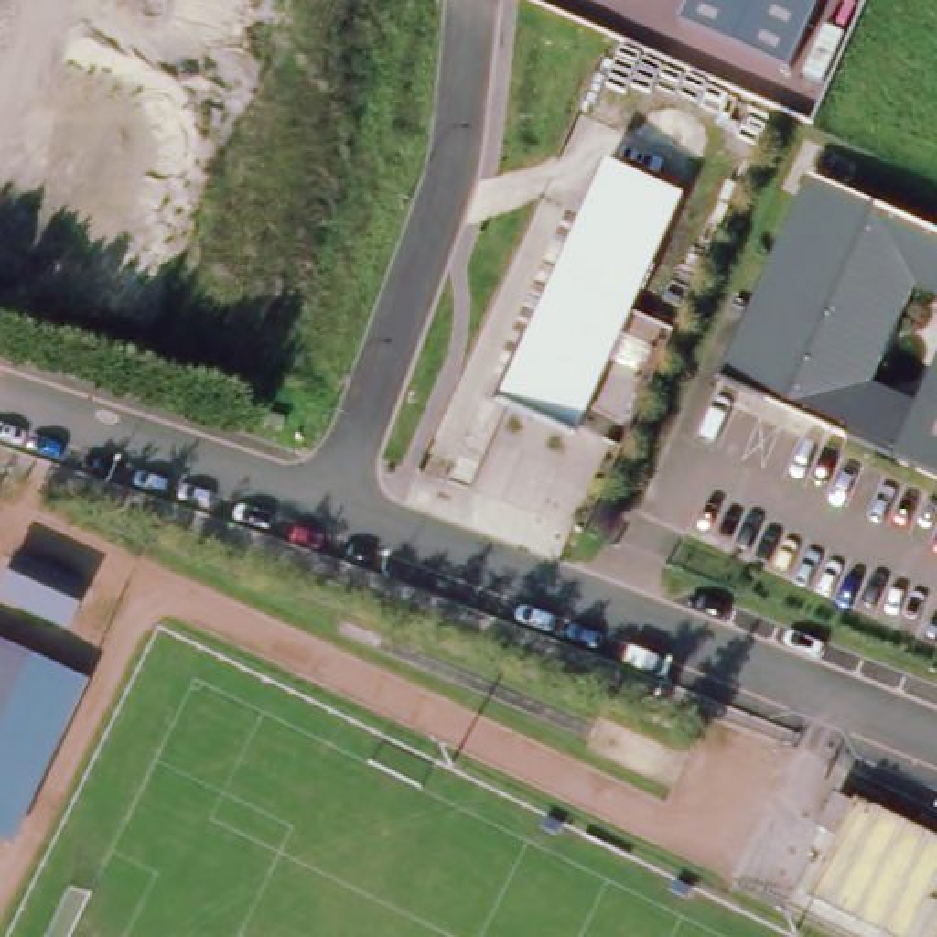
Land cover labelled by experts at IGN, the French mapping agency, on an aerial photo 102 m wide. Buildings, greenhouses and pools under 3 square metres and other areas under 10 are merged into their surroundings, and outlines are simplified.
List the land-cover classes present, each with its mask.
<instances>
[{"label":"impervious surface","instance_id":"1","mask_svg":"<svg viewBox=\"0 0 937 937\"><path fill-rule=\"evenodd\" d=\"M443 44L425 172L399 249L392 256L370 333L344 384L340 410L315 450L300 454L245 432L205 428L168 410L143 406L139 399H117L73 373H51L29 362L0 359V582L15 567L18 575H29L59 593L77 597L73 622L66 630L99 648V666L92 673V684L77 706V717L66 732V743L48 772V783L33 813L18 824L15 835H0V915L11 893L18 889L37 845L44 842L55 813L62 809L73 772L117 692V681L124 677V666L139 637L157 633L161 619H183L223 641H234L238 648L256 652L267 662L285 666L304 681L340 692L436 739L439 747H458L469 758L501 769L571 809L593 813L597 820L633 838L655 842L684 856L692 867L739 878L743 893L765 900L769 908L798 922L809 937H827L813 915H805L794 904V886L813 867L809 849L816 845V827L842 831L860 802H871L937 835V684H926L911 673L838 648L827 626L794 622L791 630L787 622L750 615L732 604L728 589H692L681 597H666L662 571L673 538H695L743 564L772 567V575H780L802 593L824 597L831 608H845L893 630L915 633L919 641L937 648V498L919 494L900 479H889L842 458L835 447L849 432L721 377L725 359L710 351L706 340L695 351V373L681 388L677 417L662 432L659 461L652 479L644 483L641 501L622 516V527L608 534L593 560L571 564L560 556L538 560L523 545L494 542L479 531L410 509V483L432 461L439 425L465 377L479 333L469 329L472 242L483 220L523 205L534 194L556 190H575L586 201L600 165H608L611 157L655 176L662 161H670L677 150H688L692 157L706 150L703 128L673 110H662L652 124L644 113L630 117L626 135L578 121L564 154L538 157L527 168L494 176L498 146L505 139V106L512 92V22L520 4L534 7L545 18H560L564 11H571L578 15L575 26L582 33H593L604 44H611L615 59L597 62V77L604 81L655 84L659 77H681V92L695 95L699 106L725 132L736 165L728 168V179L721 183L714 209L699 223L703 245L684 253L681 278H673L659 293V300L673 304L677 311L681 304H695L699 296L692 275L703 271V260L710 256L706 249L721 242V223L732 212L736 187H750V168L758 165V146L765 139L769 117L780 113L798 124L791 168L780 179L783 190L794 194L802 179L820 165V172L937 223V179L864 150L820 143L813 113L824 106L827 95V66L838 51V40L849 44L856 37L867 0H816L794 40L798 62H783L747 48L728 33L688 22L684 0H439ZM439 293L454 300L447 359L428 395V410L414 432L410 454L399 465H388L381 458V447L392 432L403 384L414 370ZM44 483L77 487L128 505H146L161 520H172L176 527L194 531L201 538H216L234 549L285 556L318 582L370 589L384 600L406 604L425 615H439L443 622L465 633H498L505 644L527 655L560 659L571 673H604L611 688L644 684L666 703L699 706L710 728L692 747H666L600 714L582 717L512 684L472 673L450 659L384 641L381 630H373L362 619L340 622L344 637L381 648V655L428 670L450 684L479 692L545 725L586 736L597 754L662 780L670 794L652 798L567 758L549 743H538L494 717H483L381 666H370L307 630H296L242 600H231L227 593L187 575H176L146 556H132L117 542H99L95 549H88L77 542L73 531L66 538L40 527L51 509L44 505Z\"/></svg>","mask_w":937,"mask_h":937},{"label":"herbaceous vegetation","instance_id":"2","mask_svg":"<svg viewBox=\"0 0 937 937\"><path fill-rule=\"evenodd\" d=\"M820 143L864 150L937 179V0H867L856 37L849 44L838 40V51L827 66V95L824 106L813 113ZM578 15L571 11H564L560 18H545L534 7L520 4L512 22V92L505 106V139L498 146L494 176L527 168L538 157L564 154L578 121L626 135L630 117L644 113L652 124L662 110H673L703 128L706 150L692 157L688 150H677L670 161H662L655 176L677 187L681 194L633 304L662 322L677 315V311L673 304L659 300V293L673 278H681L684 253L703 245L699 223L714 209L721 183L728 179V168L736 165L725 132L699 106L695 95L681 92V77H659L655 84L604 81L597 77V62L615 59L611 44H604L593 33H582L575 26ZM794 194L783 190L780 179L761 190L758 209L750 212L747 249L732 267L728 293L758 285L761 267L769 260L765 242L769 234H780ZM534 216L523 205L483 220L472 242L469 329L479 333L490 296L512 260V249ZM454 300L439 293L414 370L403 384L392 432L381 447V458L388 465H399L410 454L414 432L428 410V395L447 359ZM842 458L889 479H900L919 494L937 498V476L919 465L878 454L849 432L835 447ZM187 575L227 593L231 600H242L296 630H307L370 666H381L483 717H494L538 743H549L567 758L652 798L670 794L662 780L597 754L586 736L545 725L479 692L450 684L428 670L381 655V648L344 637L340 622L362 619L373 630H381L384 600L370 589L318 582L285 556L234 549L216 538H201L187 556ZM666 597H681L692 589H728L732 604L750 615L787 622L791 630L794 622L827 626L838 648L911 673L926 684H937V648L919 641L915 633L893 630L845 608H831L824 597L802 593L780 575H772V567L743 564L695 538H673L662 571ZM0 937H809L798 922L769 908L765 900L743 893L739 878L692 867L684 856L655 842L633 838L597 820L593 813L571 809L501 769L469 758L458 747H439L436 739L340 692L304 681L285 666L267 662L256 652L238 648L234 641H223L183 619H161L157 633L139 637L124 666V677L117 681V692L73 772L62 809L55 813L44 842L37 845L18 889L11 893L0 915Z\"/></svg>","mask_w":937,"mask_h":937},{"label":"building","instance_id":"3","mask_svg":"<svg viewBox=\"0 0 937 937\"><path fill-rule=\"evenodd\" d=\"M816 0H684L688 22L728 33L747 48L783 62H798L794 40ZM681 194L677 187L655 176L611 157L608 165H600L586 201L575 190H556L534 194L523 205L534 216L512 249V260L490 296L479 333L465 377L439 425L432 461L410 483V509L479 531L494 542L523 545L538 560L560 556L567 538L578 534V505L600 498L597 472L608 458L611 425L633 417L637 395L648 388L652 373L670 370V337L681 333L677 315L662 322L633 304ZM769 260L761 267L758 285L728 293L721 311L714 315L706 340L710 351L725 359L721 377L849 432L878 454L919 465L937 476V223L820 172V165L802 179L794 194L780 234H769L765 242ZM77 597L59 593L29 575H18L15 567L0 582V835H15L18 824L33 813L48 783V772L66 743V732L77 717V706L92 684V673L99 666V648L66 630L73 622ZM813 867L794 886V904L805 915H813L827 937H937V835L871 802H860L842 831L816 827V845L809 849Z\"/></svg>","mask_w":937,"mask_h":937},{"label":"brushwood","instance_id":"4","mask_svg":"<svg viewBox=\"0 0 937 937\"><path fill-rule=\"evenodd\" d=\"M278 11L296 18L278 26L253 22L245 29L249 55L260 66L253 102L245 106V113L234 117L231 135L209 157L205 190L194 205L190 242L179 256L161 264L154 282L139 293L132 307V315L139 318L135 329L124 340H110L77 326H55L33 315L0 311V359L29 362L51 373H73L117 399H139L143 406L168 410L205 428L245 432L300 454L315 450L340 410L344 384L370 333L392 256L399 249L425 172L443 44L439 0H275ZM798 124L780 113L769 117L765 139L758 146V165L750 168V187H736L732 212L721 223V242L706 249L710 256L703 260V271L692 275L699 296L695 304H681L677 311V315L681 333L670 337V370L652 373L648 388L637 395L633 417L611 425L608 458L597 472L600 498L578 505V534L567 538L560 556L571 564L593 560L608 534L622 527V516L641 501L644 483L652 479L659 461L662 432L677 417L681 388L695 373V351L706 340L714 315L721 311L728 293L732 267L747 249L750 212L758 209L761 190L780 179L791 168ZM44 505L51 509L40 527L66 538L73 531L77 542L88 549H95L99 542H117L132 556H146L176 575H187V556L201 538L194 531L176 527L172 520H161L146 505H128L77 487L44 483ZM384 641L450 659L472 673L512 684L582 717L600 714L666 747H692L710 728L699 706L666 703L644 684L611 688L604 673H571L560 659L527 655L505 644L498 633H465L443 622L439 615H425L406 604L384 600L381 630Z\"/></svg>","mask_w":937,"mask_h":937},{"label":"pervious surface","instance_id":"5","mask_svg":"<svg viewBox=\"0 0 937 937\"><path fill-rule=\"evenodd\" d=\"M296 18L278 11L275 0H0V311L33 315L55 326H77L110 340H124L135 329L139 318L132 315V307L139 293L154 282L161 264L179 256L190 242L194 205L205 190L209 157L231 135L234 117L245 113V106L253 102L260 66L249 55L245 29L253 22L278 26Z\"/></svg>","mask_w":937,"mask_h":937}]
</instances>
